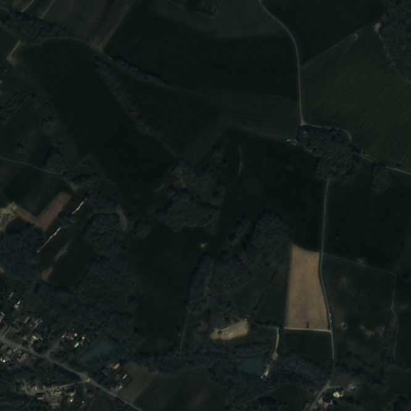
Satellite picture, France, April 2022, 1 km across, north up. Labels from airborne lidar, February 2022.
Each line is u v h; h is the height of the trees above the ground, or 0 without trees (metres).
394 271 0
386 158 0
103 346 0
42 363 22
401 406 21
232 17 0
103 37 0
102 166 0
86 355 0
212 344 18
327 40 0
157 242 0
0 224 0
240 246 0
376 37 0
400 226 0
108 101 0
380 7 0
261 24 0
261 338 0
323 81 0
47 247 0
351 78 0
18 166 0
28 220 0
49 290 23
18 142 0
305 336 0
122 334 28
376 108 0
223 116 0
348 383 0
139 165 0
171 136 0
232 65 0
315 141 21
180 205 24
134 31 0
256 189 0
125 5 0
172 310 0
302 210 0
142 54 0
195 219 26
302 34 0
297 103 0
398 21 28
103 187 0
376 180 24
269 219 26
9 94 0
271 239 31
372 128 0
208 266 31
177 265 0
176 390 0
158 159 0
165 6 0
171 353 19
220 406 0
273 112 0
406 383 0
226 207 0
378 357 0
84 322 8
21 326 9
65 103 0
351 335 0
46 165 16
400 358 0
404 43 31
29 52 0
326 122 0
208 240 0
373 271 0
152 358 8
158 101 0
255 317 13
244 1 0
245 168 0
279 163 0
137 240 0
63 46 0
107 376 21
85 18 0
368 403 0
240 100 0
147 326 0
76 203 0
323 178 16
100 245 28
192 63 0
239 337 0
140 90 0
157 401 0
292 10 0
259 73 0
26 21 23
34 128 0
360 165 21
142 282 0
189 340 19
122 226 24
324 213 0
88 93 0
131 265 20
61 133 0
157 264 0
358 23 0
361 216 0
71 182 12
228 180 0
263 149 0
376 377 0
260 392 15
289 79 0
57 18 0
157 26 0
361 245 0
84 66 0
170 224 9
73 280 0
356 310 0
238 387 28
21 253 25
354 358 14
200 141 0
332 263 0
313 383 19
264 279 0
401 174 0
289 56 0
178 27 0
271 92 0
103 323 24
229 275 22
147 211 0
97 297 8
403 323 0
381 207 0
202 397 0
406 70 28
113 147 0
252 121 0
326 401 0
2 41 0
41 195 0
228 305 24
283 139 0
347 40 0
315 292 0
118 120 0
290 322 0
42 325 0
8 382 22
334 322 0
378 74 0
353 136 0
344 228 0
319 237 0
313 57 0
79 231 0
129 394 0
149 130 11
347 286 0
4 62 0
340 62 0
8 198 0
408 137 0
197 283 30
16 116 0
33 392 0
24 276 26
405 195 0
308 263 0
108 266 23
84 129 0
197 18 0
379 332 0
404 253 0
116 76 24
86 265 0
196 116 0
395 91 0
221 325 0
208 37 0
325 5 0
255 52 0
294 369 8
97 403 0
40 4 0
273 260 24
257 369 0
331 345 0
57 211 0
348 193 0
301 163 0
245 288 0
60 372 21
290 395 0
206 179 25
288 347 0
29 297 0
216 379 21
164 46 0
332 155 28
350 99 0
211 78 0
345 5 0
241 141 0
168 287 0
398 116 0
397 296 0
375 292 0
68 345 6
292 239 19
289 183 0
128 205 0
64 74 0
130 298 9
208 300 23
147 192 0
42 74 0
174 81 0
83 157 0
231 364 19
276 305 0
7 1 0
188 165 19
